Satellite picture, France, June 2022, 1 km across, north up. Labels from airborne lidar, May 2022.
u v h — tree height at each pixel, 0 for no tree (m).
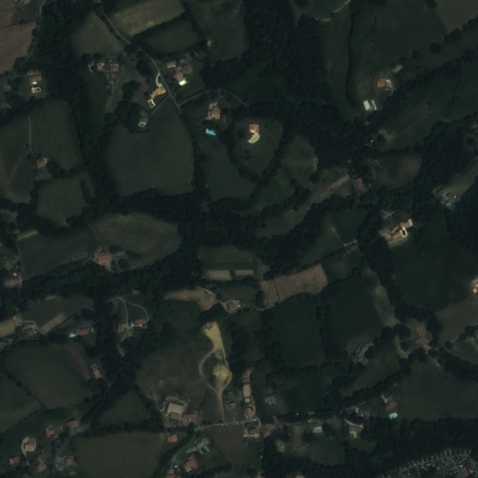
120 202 13
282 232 0
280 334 0
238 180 0
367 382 0
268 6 19
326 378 0
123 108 16
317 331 0
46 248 0
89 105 19
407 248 0
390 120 8
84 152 14
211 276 0
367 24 0
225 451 0
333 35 0
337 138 29
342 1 0
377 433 25
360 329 0
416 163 0
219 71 31
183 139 0
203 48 14
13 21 0
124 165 0
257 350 0
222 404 0
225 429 0
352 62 11
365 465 19
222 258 0
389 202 29
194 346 0
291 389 0
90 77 0
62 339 13
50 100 11
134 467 0
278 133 0
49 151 0
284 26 21
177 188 0
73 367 0
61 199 0
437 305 0
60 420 0
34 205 9
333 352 21
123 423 0
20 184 0
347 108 0
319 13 0
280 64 22
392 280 17
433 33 0
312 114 25
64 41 29
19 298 18
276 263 13
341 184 0
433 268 0
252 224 17
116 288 24
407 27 0
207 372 0
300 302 0
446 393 0
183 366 0
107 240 0
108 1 13
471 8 0
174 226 0
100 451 0
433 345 15
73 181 0
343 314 0
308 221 18
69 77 30
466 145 9
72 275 20
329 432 22
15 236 11
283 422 18
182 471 7
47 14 14
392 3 0
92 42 0
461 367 22
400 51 0
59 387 0
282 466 24
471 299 0
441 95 0
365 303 0
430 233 0
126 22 0
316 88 24
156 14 0
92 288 22
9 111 13
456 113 0
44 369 0
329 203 17
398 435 19
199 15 0
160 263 19
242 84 0
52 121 0
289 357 0
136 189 0
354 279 10
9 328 0
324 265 7
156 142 0
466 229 23
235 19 0
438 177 18
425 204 21
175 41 0
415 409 0
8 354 10
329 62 0
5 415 0
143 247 0
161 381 0
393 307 15
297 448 0
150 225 0
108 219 0
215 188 0
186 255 16
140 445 0
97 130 0
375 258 19
